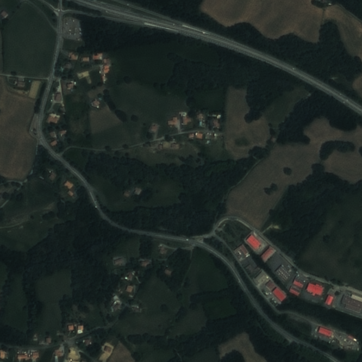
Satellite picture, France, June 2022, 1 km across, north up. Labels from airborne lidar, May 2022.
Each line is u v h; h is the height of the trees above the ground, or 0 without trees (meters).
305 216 22
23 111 0
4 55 7
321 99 21
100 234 16
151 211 21
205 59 0
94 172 23
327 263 0
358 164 0
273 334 28
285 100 0
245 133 0
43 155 25
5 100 0
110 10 0
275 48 19
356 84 0
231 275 17
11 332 22
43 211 0
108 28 17
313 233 16
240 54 14
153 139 0
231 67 21
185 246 0
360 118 15
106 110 0
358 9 24
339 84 9
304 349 27
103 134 0
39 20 0
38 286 0
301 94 0
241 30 22
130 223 10
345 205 0
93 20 14
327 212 12
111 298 12
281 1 0
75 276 16
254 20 0
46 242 20
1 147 0
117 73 0
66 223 12
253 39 24
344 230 0
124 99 0
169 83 16
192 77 25
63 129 18
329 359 19
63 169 11
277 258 0
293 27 0
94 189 0
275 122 0
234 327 27
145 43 19
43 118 0
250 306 27
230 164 26
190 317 0
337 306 0
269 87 20
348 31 0
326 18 0
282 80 25
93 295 20
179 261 10
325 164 0
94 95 0
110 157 19
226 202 7
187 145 0
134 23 0
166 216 23
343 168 0
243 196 0
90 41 20
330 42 25
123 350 0
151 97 0
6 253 16
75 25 0
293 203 16
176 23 0
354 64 24
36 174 21
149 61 0
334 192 17
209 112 14
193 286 0
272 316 9
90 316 0
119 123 0
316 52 19
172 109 0
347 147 25
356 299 0
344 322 9
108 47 20
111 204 0
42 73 0
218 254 0
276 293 0
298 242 10
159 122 0
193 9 18
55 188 16
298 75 0
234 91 0
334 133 0
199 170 17
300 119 22
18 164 0
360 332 6
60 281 0
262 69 21
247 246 9
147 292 0
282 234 8
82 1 0
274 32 0
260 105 15
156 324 0
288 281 0
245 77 27
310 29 0
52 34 0
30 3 0
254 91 17
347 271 0
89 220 17
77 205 8
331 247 0
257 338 22
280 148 0
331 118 19
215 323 18
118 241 25
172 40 8
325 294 0
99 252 23
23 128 0
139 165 22
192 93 19
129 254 0
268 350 26
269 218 0
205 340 28
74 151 0
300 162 0
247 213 0
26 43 0
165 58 0
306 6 0
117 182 22
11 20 0
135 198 15
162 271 20
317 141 0
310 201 9
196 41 11
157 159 0
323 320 7
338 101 14
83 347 18
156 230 12
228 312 0
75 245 21
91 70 0
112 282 18
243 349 0
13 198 14
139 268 12
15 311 0
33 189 0
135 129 0
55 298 0
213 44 16
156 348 6
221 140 0
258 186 0
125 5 0
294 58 17
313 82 0
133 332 0
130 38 17
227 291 15
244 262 0
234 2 0
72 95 0
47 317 0
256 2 0
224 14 0
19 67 0
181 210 22
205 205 7
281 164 0
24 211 0
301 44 22
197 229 27
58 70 14
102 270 20
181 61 22
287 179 0
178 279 10
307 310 7
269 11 0
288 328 8
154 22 0
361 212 0
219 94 0
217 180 23
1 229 0
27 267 11
